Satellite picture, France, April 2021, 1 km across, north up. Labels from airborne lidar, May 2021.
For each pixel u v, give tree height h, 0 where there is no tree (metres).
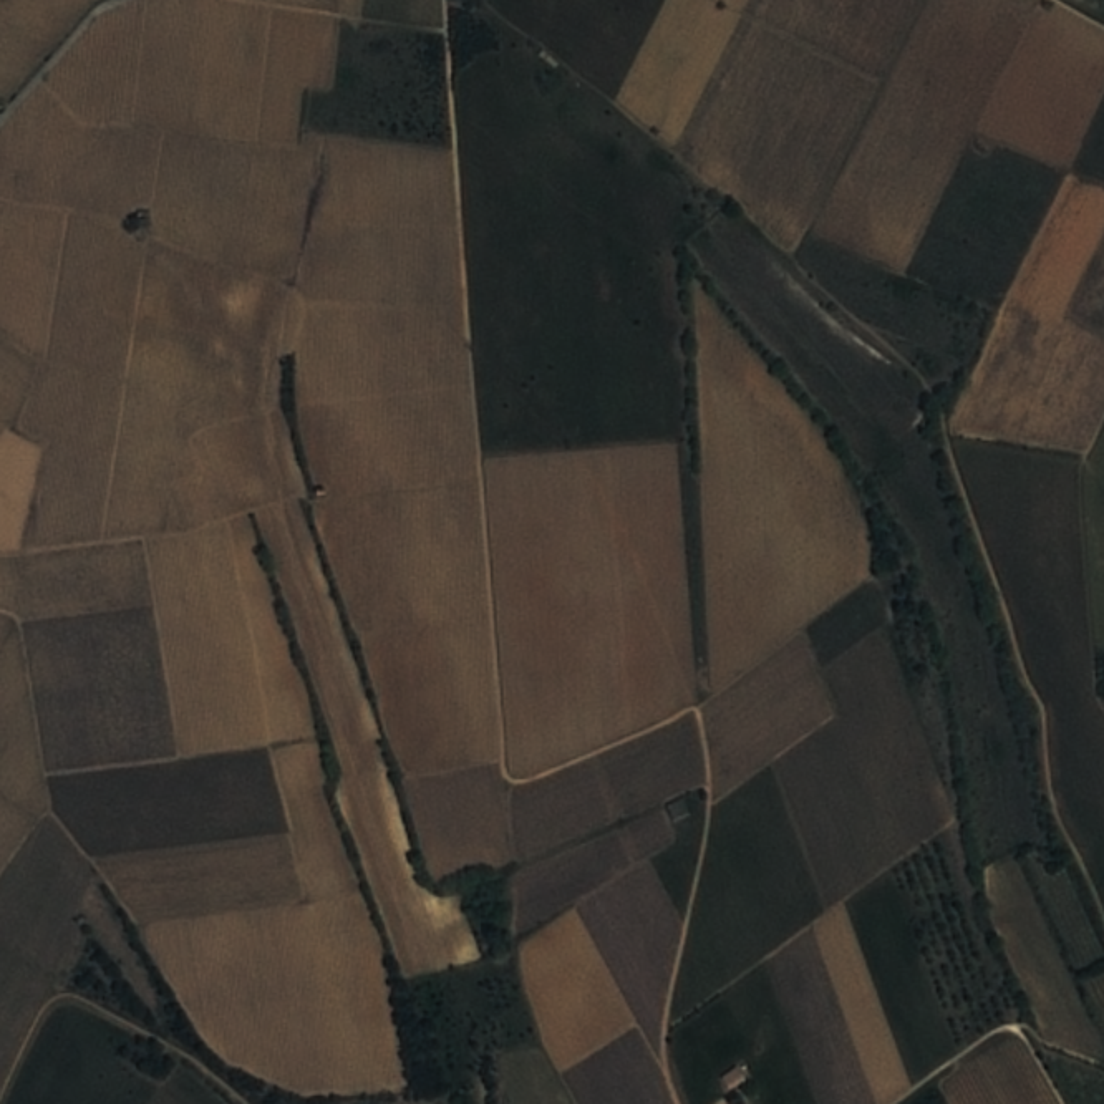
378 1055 0
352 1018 0
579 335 0
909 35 0
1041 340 0
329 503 0
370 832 0
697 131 0
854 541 0
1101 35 0
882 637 0
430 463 0
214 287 0
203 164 0
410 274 0
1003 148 0
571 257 0
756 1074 0
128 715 0
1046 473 0
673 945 0
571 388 0
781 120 0
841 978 0
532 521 0
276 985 0
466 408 0
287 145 0
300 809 0
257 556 11
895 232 0
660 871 0
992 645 6
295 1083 0
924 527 0
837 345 0
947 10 0
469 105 0
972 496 0
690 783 0
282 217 0
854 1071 0
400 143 0
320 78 0
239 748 0
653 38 0
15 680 0
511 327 0
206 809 0
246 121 0
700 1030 0
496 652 0
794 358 0
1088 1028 0
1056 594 0
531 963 0
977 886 11
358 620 0
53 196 0
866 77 0
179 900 0
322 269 0
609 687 0
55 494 0
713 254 0
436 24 0
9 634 0
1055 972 0
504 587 0
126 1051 8
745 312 0
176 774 0
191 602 0
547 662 0
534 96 0
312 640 0
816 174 0
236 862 0
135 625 0
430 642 0
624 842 0
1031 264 0
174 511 0
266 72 0
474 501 0
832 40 0
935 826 0
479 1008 0
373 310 0
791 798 0
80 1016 0
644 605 0
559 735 0
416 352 0
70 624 0
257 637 0
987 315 8
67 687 0
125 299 0
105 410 0
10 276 0
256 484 0
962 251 0
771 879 0
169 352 0
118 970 10
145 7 0
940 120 0
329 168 0
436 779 0
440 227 0
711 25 0
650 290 0
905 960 0
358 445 0
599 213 0
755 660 0
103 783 0
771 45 0
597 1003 0
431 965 0
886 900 0
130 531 0
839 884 0
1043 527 0
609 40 0
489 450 0
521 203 0
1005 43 0
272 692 0
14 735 0
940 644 9
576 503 0
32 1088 0
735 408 0
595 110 0
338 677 0
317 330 0
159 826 0
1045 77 0
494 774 0
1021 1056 0
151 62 0
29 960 0
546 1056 0
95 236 0
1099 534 0
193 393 0
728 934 0
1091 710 0
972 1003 6
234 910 0
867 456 0
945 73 0
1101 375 0
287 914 0
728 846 0
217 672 0
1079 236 0
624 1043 0
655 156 0
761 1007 0
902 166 0
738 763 0
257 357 0
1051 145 0
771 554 0
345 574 0
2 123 0
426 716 0
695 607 0
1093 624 0
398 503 0
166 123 0
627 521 0
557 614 0
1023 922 0
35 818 0
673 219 0
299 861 0
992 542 0
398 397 0
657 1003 0
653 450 0
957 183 0
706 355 0
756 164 0
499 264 0
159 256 0
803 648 0
